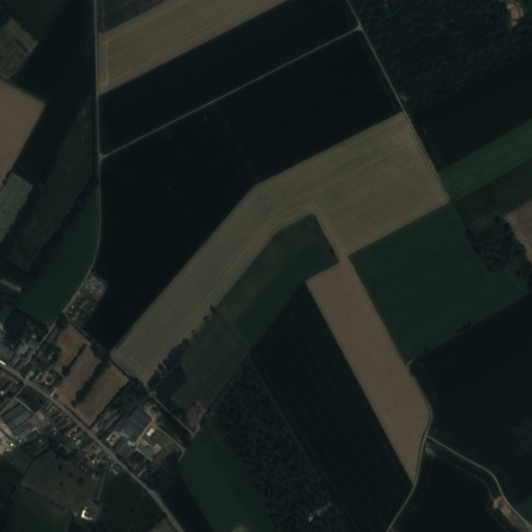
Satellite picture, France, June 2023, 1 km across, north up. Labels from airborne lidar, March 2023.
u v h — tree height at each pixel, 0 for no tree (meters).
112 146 0
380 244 0
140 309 0
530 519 0
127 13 0
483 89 0
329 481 0
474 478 0
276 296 0
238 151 0
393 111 0
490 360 0
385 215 0
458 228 0
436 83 15
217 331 0
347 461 0
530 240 0
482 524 0
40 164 0
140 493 0
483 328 0
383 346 0
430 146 0
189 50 0
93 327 0
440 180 0
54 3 0
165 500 0
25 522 0
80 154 0
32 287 0
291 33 0
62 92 0
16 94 0
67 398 0
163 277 0
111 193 0
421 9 23
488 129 0
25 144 0
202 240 0
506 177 0
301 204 0
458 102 0
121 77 0
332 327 0
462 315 0
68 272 0
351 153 0
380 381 0
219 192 0
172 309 0
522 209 0
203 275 0
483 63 18
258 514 0
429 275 0
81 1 0
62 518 0
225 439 0
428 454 0
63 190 0
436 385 0
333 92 0
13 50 0
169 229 0
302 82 0
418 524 0
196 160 0
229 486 0
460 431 0
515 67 0
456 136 0
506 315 0
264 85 0
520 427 0
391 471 0
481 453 0
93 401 0
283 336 0
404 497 0
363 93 0
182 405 0
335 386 0
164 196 0
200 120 0
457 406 0
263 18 0
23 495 0
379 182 0
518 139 0
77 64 0
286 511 15
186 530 0
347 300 0
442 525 0
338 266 0
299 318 0
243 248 0
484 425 0
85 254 0
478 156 0
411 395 0
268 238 0
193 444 0
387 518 0
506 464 0
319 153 0
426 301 0
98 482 0
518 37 10
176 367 0
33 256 0
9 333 28
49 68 0
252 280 0
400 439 0
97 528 30
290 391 0
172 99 0
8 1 0
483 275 0
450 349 0
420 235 0
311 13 0
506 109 0
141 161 0
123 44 0
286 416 0
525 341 0
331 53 0
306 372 0
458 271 0
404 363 0
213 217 0
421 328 0
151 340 0
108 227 0
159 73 0
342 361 0
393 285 0
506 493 0
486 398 0
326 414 0
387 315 0
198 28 0
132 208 0
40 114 0
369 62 0
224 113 0
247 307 0
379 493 0
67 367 10
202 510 0
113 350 0
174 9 0
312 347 0
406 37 18
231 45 0
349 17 0
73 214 21
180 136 0
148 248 0
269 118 0
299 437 0
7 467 0
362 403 0
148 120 0
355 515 0
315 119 0
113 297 0
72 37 0
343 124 0
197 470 0
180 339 0
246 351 0
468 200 0
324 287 0
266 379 0
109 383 0
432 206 0
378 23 17
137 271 0
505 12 22
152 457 0
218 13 0
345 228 0
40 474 0
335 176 0
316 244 0
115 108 0
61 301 0
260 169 0
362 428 0
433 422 0
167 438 0
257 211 0
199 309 0
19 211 0
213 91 0
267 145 0
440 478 0
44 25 0
